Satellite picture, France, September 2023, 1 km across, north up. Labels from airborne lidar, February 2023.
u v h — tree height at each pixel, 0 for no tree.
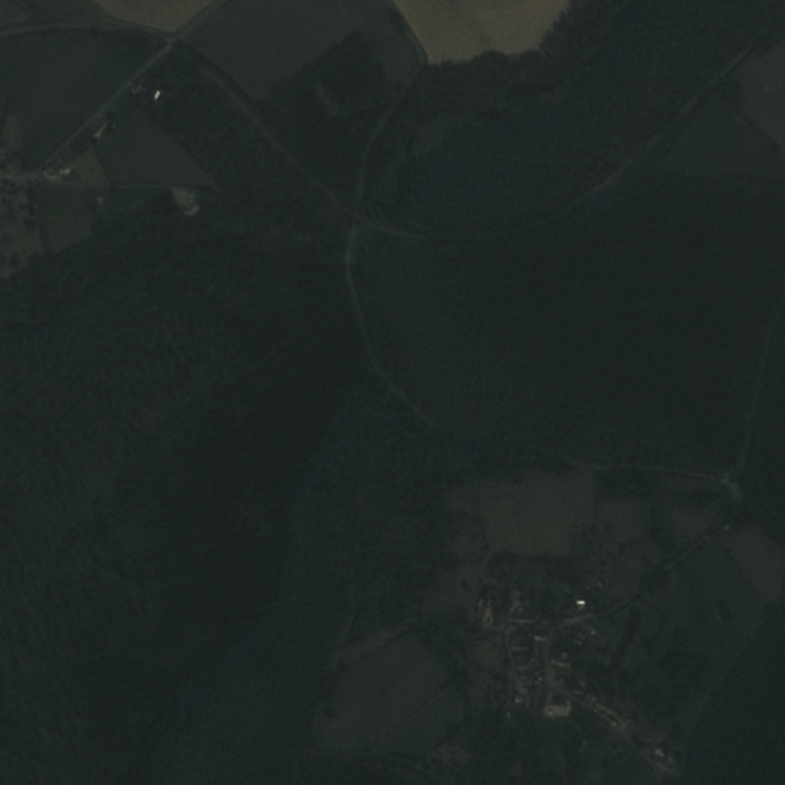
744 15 23
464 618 13
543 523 0
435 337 18
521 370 15
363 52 9
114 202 0
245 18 0
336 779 0
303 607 16
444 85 15
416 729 0
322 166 15
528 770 17
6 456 25
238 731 20
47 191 0
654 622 0
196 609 6
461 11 0
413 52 0
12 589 25
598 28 19
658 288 15
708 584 0
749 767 23
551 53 18
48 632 28
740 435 19
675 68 26
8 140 0
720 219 13
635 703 10
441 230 16
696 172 0
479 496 0
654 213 15
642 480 9
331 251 13
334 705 0
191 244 11
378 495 21
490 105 8
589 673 10
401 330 18
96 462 23
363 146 9
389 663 0
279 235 17
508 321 16
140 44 12
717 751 24
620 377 15
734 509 9
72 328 25
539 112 0
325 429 8
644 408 15
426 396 15
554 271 19
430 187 17
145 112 7
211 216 17
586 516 0
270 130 12
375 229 0
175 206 13
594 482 0
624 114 13
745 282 15
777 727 23
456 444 25
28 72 0
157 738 9
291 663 12
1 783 33
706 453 17
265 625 16
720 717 20
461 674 11
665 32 19
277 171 15
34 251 0
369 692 0
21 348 14
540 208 16
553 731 0
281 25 0
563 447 15
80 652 33
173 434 0
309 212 18
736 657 0
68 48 0
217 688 28
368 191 16
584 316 15
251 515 15
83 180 0
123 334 25
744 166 0
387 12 0
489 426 20
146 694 6
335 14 0
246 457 6
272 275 24
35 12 0
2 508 24
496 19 0
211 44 0
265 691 19
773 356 17
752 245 13
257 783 11
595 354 15
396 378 24
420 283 20
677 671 11
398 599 17
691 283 17
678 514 0
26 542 27
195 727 22
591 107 23
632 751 0
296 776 6
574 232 21
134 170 0
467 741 7
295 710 13
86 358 26
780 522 18
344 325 8
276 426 5
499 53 6
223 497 9
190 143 14
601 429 14
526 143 14
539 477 0
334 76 10
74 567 27
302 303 8
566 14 10
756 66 0
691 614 0
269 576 7
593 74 16
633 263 19
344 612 14
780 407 18
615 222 20
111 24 0
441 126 0
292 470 7
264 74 0
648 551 0
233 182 15
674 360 17
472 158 31
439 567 9
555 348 16
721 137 0
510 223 21
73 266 11
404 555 18
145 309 22
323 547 16
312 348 6
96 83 0
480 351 20
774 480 18
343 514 11
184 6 0
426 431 14
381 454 21
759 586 0
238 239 16
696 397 17
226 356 8
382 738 0
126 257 11
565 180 18
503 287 18
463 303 19
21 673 30
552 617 7
